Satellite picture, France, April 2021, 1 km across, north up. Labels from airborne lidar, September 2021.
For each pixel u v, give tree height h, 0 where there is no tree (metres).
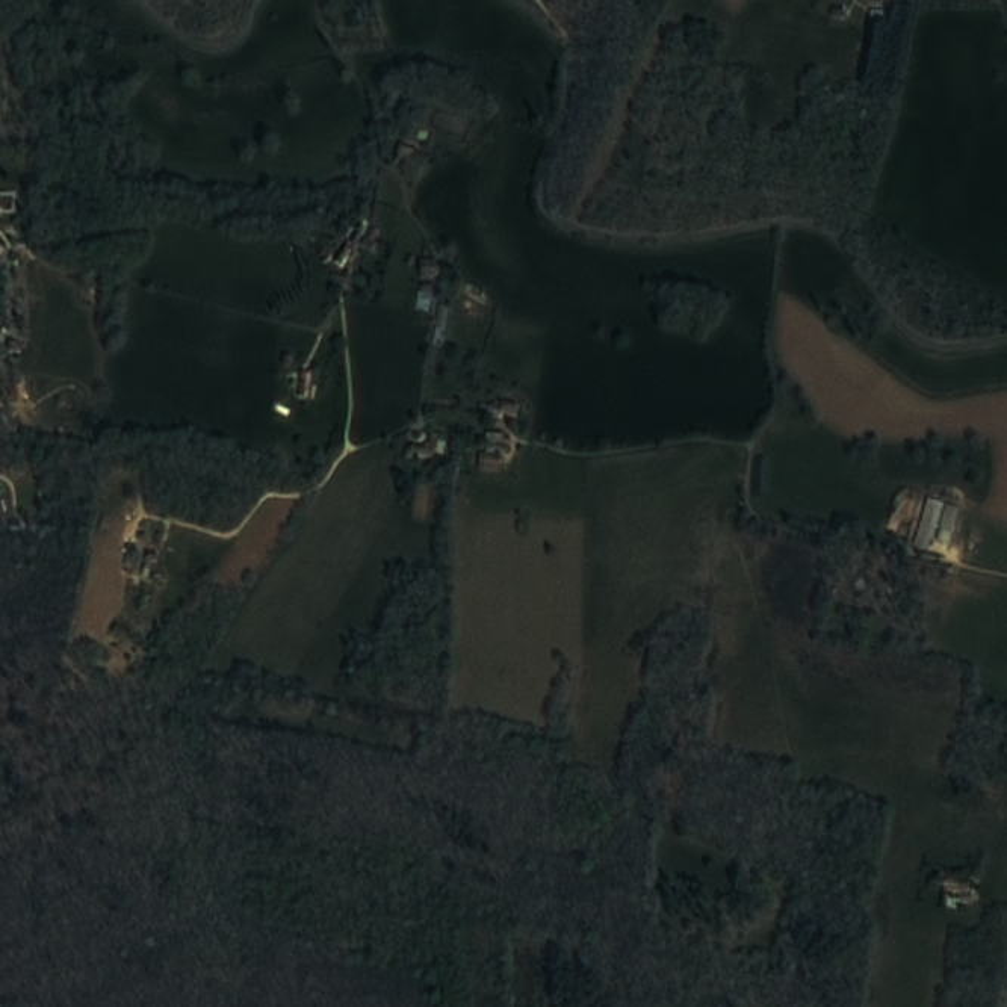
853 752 0
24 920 16
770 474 0
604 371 0
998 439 0
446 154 12
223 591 17
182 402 0
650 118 16
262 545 0
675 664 23
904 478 0
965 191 0
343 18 0
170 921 25
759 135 18
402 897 15
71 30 12
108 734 21
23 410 0
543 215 13
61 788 17
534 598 0
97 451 15
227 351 0
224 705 20
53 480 23
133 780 20
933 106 0
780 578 0
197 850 23
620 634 0
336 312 7
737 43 0
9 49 19
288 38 0
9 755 12
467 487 0
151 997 24
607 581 0
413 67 19
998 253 0
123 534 0
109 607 0
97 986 23
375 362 0
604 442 11
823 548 21
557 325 0
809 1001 16
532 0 8
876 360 0
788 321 0
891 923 0
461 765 14
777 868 20
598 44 8
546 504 0
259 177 0
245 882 17
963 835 0
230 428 0
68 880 25
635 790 21
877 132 21
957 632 0
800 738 0
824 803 24
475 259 0
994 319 8
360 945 17
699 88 15
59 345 0
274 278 0
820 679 0
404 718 12
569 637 0
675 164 13
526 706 0
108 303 18
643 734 22
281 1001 18
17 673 7
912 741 0
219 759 23
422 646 21
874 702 0
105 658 13
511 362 0
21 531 8
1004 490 0
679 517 0
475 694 0
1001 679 0
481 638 0
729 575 0
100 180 26
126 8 0
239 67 0
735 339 0
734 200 17
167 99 0
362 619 0
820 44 0
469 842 18
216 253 0
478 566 0
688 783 23
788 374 9
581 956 8
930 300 8
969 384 0
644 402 0
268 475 23
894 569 22
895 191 0
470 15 0
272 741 19
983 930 10
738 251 0
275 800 18
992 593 0
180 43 0
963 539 0
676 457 0
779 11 0
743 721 0
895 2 21
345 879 19
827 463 0
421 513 0
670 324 20
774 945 14
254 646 0
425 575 19
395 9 0
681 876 0
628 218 16
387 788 20
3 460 20
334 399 0
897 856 0
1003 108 0
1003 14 9
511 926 18
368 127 10
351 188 8
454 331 0
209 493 21
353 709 10
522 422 9
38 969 19
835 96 20
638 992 21
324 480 17
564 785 24
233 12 7
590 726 0
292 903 13
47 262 15
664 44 14
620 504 0
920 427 0
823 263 0
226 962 27
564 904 16
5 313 13
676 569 0
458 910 16
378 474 0
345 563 0
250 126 0
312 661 0
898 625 15
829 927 19
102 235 8
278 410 0
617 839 19
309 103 0
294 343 0
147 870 26
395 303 0
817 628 16
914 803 0
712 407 0
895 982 0
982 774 20
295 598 0
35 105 20
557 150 13
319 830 25
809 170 20
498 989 10
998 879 0
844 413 0
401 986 17
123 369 0
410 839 23
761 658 0
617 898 17
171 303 0
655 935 20
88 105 12
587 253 0
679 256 0
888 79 19
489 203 0
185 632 19
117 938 23
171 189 25
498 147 0
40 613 8
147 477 10
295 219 14
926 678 0
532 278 0
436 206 0
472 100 20
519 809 19
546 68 0
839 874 21
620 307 0
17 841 9
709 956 23
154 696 20
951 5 12
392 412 0
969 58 0
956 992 24
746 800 19
